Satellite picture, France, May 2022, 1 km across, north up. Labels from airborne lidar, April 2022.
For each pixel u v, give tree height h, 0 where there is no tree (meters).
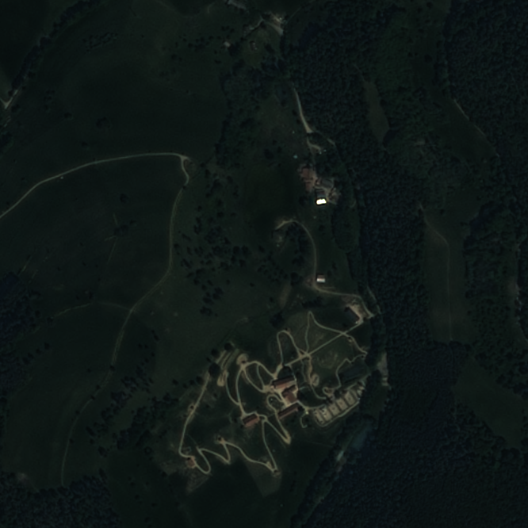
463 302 0
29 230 0
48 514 19
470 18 30
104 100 0
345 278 0
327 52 24
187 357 0
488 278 24
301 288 0
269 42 0
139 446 21
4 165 0
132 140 0
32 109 0
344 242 21
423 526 18
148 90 0
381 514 25
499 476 20
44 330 0
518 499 21
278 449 0
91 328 0
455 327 0
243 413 0
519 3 21
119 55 0
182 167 0
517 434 0
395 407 16
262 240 0
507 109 24
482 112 18
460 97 21
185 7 0
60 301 0
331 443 0
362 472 24
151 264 0
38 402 0
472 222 0
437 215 0
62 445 0
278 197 0
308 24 0
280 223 0
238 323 0
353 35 21
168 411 18
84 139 0
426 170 9
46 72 0
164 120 0
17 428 0
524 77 23
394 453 22
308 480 0
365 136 15
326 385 0
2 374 22
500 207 27
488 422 0
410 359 18
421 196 18
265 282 0
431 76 0
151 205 0
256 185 0
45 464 0
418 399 12
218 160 13
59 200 0
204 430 0
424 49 0
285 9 0
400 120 21
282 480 0
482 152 0
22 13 0
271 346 0
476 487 18
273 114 0
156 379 0
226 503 0
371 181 19
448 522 18
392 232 23
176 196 0
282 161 0
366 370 0
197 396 0
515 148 20
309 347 0
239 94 20
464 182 20
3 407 17
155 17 0
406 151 10
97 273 0
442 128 0
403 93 24
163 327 0
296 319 0
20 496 19
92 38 6
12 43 0
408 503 15
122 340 0
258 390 0
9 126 0
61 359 0
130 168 0
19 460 0
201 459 0
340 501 20
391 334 25
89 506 35
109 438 0
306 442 0
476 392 0
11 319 24
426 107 20
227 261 6
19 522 25
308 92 29
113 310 0
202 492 0
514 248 0
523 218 30
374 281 14
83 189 0
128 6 0
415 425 12
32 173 0
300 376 8
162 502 0
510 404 0
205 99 0
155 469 0
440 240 0
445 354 17
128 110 0
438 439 29
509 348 9
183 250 0
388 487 19
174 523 0
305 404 0
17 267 0
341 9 12
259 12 7
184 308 0
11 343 15
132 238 0
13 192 0
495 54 22
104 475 17
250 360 0
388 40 20
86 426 0
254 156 0
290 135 0
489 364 15
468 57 25
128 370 0
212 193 11
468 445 31
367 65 18
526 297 18
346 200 23
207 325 0
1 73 0
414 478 19
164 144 0
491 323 6
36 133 0
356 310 0
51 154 0
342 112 21
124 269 0
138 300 0
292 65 20
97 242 0
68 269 0
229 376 0
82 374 0
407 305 29
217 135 0
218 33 0
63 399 0
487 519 16
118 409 13
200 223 12
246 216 0
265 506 0
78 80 0
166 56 0
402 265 21
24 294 11
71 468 0
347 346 0
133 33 0
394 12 22
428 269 0
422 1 0
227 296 0
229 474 0
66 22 18
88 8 15
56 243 0
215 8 0
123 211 0
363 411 21
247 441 0
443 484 16
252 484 0
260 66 0
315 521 14
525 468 18
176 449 0
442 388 15
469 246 19
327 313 0
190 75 0
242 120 13
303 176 0
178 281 0
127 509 0
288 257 0
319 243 0
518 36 23
